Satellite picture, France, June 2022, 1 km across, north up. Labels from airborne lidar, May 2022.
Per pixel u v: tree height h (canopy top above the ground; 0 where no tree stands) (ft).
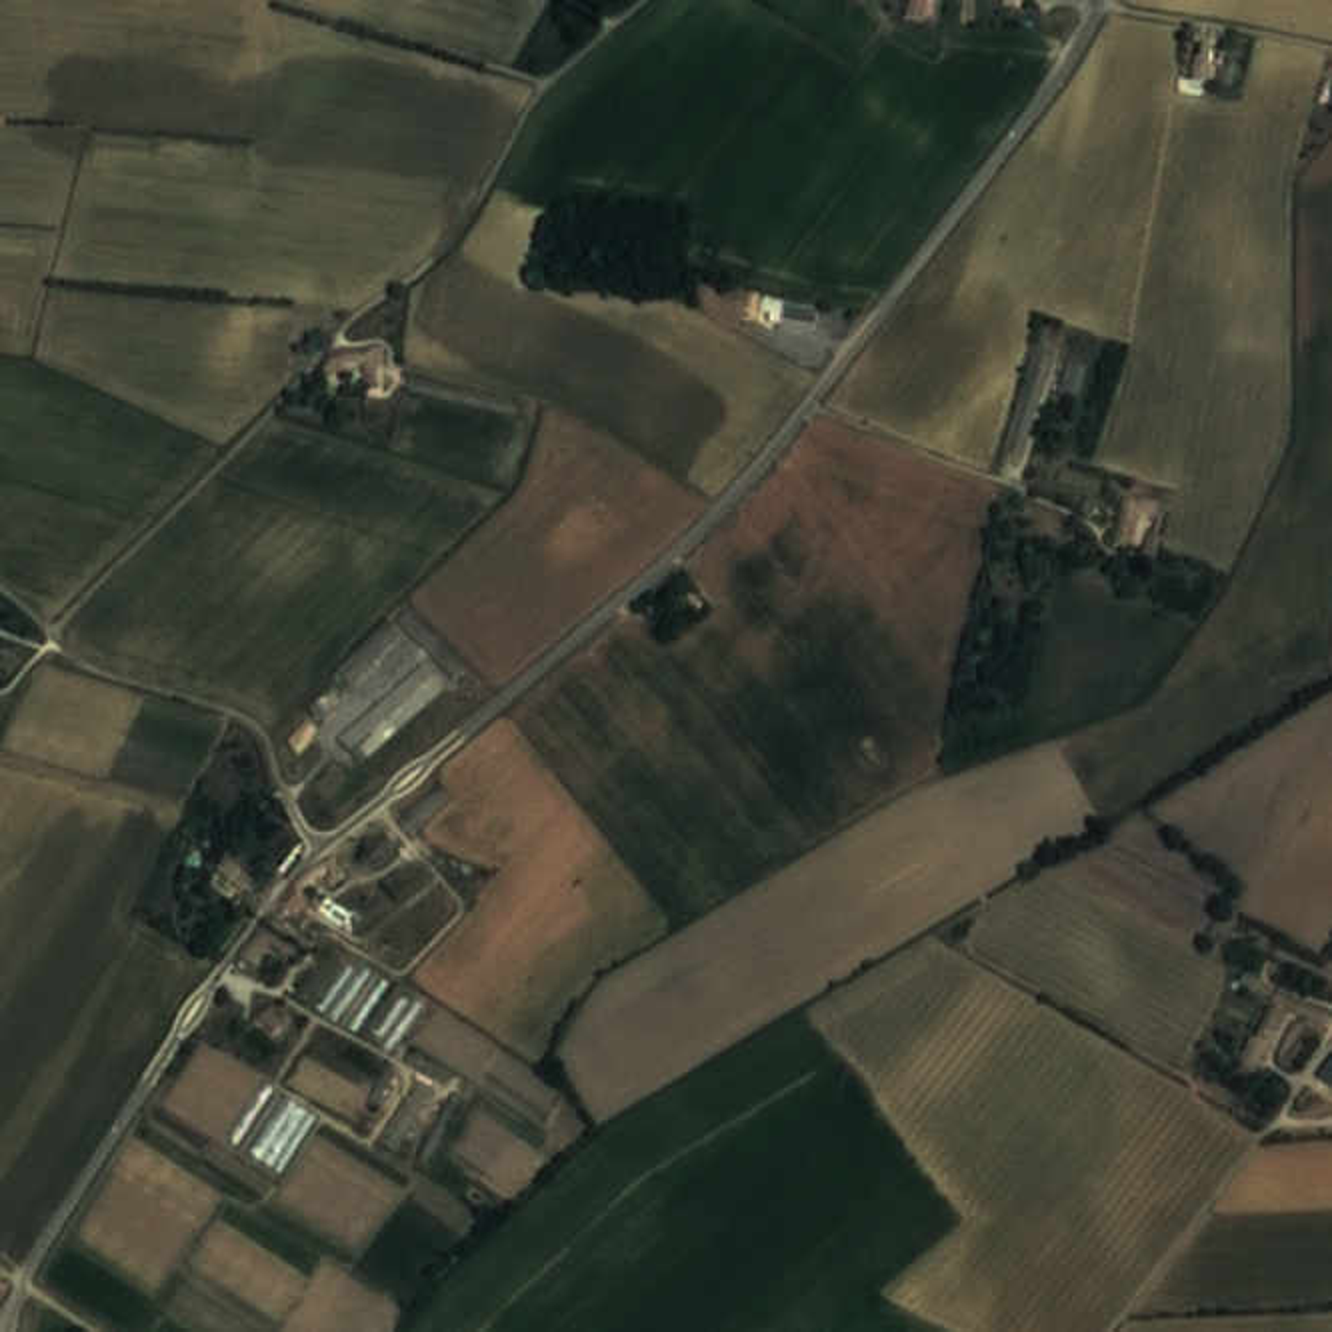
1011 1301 0
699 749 0
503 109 0
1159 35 0
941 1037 0
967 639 42
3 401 0
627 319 0
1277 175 0
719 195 0
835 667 0
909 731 0
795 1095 0
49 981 0
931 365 0
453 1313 0
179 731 0
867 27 0
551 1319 0
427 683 0
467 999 0
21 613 20
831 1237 0
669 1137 0
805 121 0
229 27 0
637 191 0
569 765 0
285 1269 0
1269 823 0
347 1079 0
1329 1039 0
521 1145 0
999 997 0
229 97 0
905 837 0
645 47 0
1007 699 43
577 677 0
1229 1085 21
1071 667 0
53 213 0
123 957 0
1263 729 47
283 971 29
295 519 0
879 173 0
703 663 0
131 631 0
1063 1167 0
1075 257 0
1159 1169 0
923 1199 0
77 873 0
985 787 0
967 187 0
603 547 0
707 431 0
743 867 0
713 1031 0
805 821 0
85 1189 0
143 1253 0
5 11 0
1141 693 0
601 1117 0
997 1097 0
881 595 0
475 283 0
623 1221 0
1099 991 0
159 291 39
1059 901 0
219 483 0
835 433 0
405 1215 0
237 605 0
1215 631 0
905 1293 0
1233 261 0
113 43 0
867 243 0
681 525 0
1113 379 30
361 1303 0
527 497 0
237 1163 0
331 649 0
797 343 0
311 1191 0
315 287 0
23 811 0
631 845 0
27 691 0
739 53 0
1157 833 0
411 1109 0
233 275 0
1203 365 0
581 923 0
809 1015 0
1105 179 0
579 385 0
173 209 0
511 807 0
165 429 0
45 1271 0
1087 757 0
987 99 0
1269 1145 21
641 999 0
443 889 0
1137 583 48
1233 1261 0
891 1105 0
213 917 52
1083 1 0
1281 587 0
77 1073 0
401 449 0
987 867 0
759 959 0
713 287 38
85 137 0
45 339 0
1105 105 0
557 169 0
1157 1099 0
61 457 0
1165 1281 0
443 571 0
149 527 0
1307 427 0
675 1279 0
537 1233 0
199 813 18
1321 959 29
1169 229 0
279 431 0
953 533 0
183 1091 0
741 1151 0
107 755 0
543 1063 26
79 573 0
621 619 0
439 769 0
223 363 0
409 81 0
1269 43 0
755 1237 0
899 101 0
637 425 0
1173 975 0
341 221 0
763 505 0
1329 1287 0
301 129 0
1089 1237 0
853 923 0
